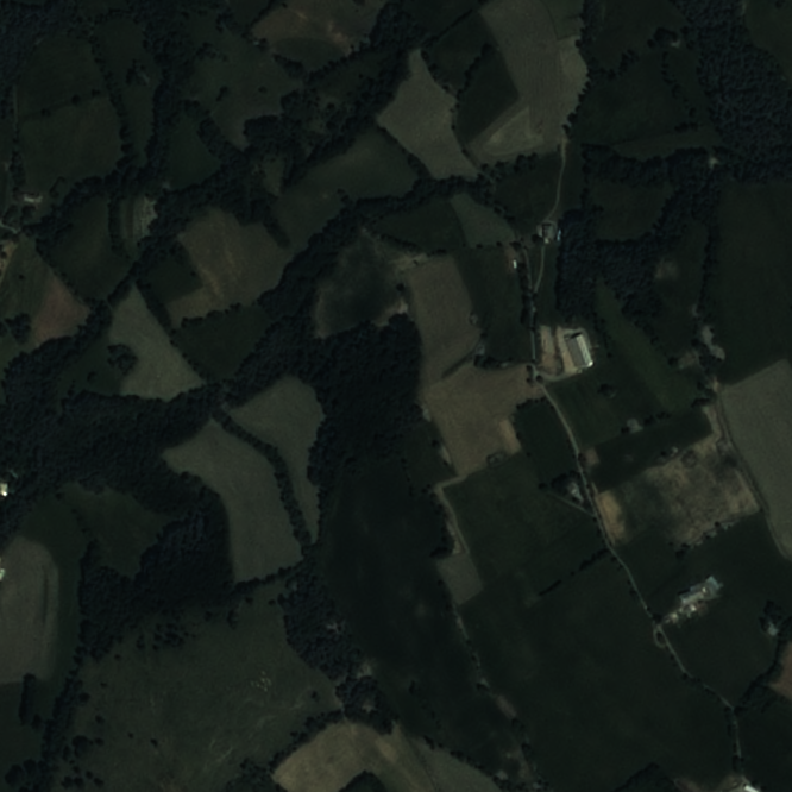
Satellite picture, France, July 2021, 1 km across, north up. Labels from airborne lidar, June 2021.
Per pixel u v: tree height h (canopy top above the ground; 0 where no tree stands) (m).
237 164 21
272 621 0
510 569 0
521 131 0
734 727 12
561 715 0
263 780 8
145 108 0
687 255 0
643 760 0
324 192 0
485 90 0
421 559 0
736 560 0
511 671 0
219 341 0
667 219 15
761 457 0
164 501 20
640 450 0
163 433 21
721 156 18
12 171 8
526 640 0
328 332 0
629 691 0
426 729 0
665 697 0
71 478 16
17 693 0
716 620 0
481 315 0
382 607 0
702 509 0
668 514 0
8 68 15
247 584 15
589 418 0
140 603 23
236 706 0
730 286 0
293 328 15
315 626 16
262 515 0
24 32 14
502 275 0
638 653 0
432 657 0
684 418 0
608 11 0
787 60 0
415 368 11
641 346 0
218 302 0
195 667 0
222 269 0
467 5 0
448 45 0
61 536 0
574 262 18
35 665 0
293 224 0
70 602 0
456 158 0
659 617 13
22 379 14
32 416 15
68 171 0
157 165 16
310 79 16
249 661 0
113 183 19
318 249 17
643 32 0
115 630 6
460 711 0
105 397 12
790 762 0
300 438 0
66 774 0
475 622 0
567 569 0
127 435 13
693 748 0
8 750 0
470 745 0
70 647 0
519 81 0
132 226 0
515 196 0
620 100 0
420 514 0
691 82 0
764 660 0
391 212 16
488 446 0
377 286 0
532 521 0
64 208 11
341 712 12
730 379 0
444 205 0
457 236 0
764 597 0
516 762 0
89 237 0
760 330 0
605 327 10
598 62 12
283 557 0
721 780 0
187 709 0
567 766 0
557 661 0
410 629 0
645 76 0
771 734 0
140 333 0
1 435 11
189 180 0
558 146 0
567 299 14
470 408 0
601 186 0
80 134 0
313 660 17
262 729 0
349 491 0
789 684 0
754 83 9
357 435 28
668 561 0
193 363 7
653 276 12
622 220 0
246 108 0
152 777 0
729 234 0
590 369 0
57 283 0
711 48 16
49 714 0
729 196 0
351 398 30
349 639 12
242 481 0
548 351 0
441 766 0
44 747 6
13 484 9
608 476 0
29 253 0
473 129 0
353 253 0
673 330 0
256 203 15
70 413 12
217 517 20
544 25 0
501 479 0
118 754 0
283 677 0
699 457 0
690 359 0
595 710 0
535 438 0
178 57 24
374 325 15
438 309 0
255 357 15
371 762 0
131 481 21
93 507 0
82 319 0
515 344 0
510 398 0
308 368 16
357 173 0
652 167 18
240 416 0
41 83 0
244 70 0
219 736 0
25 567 0
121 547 0
